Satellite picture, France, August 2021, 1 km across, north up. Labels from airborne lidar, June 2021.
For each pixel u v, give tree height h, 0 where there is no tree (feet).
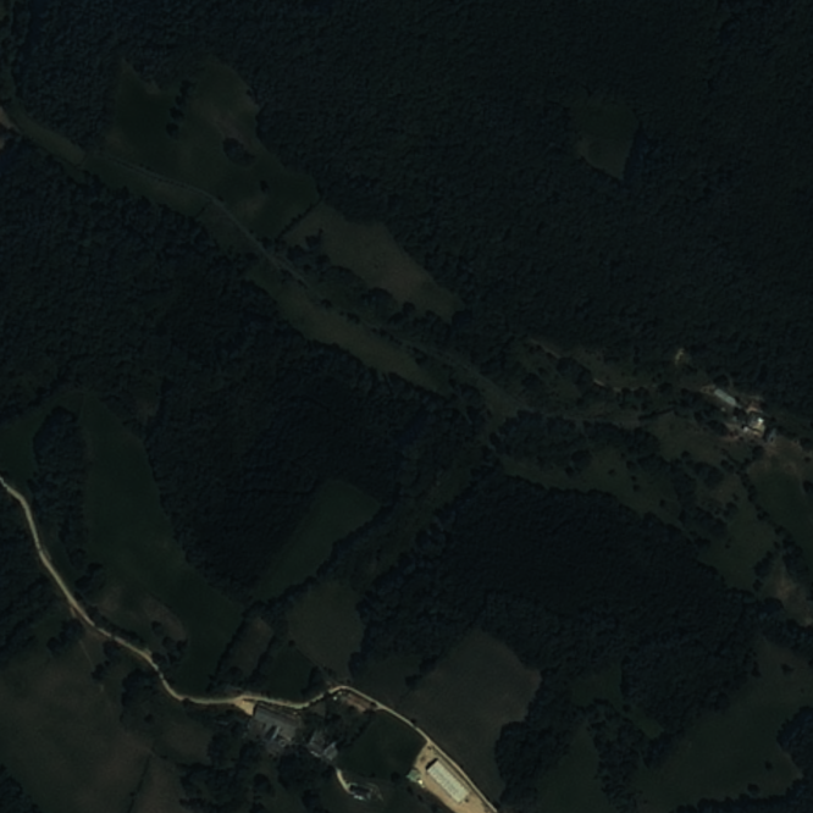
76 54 69
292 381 31
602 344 91
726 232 69
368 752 0
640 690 88
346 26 74
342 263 0
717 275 80
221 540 34
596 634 69
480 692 0
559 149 52
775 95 87
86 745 0
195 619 0
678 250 79
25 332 71
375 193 85
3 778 86
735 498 31
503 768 48
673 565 48
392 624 102
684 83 83
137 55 51
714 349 73
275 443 37
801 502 0
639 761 47
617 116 0
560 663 68
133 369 60
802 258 72
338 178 89
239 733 52
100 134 81
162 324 30
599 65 74
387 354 0
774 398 80
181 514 61
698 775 0
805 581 66
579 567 54
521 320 80
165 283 85
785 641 77
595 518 47
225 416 19
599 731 40
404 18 83
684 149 86
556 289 87
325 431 37
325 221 0
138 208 67
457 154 75
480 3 82
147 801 0
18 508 63
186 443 82
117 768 0
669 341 63
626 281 87
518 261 96
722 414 33
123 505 0
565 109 53
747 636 77
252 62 82
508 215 93
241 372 84
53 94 45
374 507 0
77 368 59
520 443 73
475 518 55
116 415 42
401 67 67
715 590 56
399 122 104
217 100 0
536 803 69
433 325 59
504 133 79
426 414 59
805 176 78
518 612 87
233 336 21
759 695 0
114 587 0
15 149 59
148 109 0
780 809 63
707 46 84
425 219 95
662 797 0
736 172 74
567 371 78
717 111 82
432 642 64
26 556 90
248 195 0
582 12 68
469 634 55
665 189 79
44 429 0
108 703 0
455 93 60
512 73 82
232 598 45
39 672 0
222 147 0
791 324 64
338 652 0
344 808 0
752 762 0
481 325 84
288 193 0
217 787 81
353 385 84
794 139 84
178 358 95
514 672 0
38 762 0
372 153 76
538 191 90
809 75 89
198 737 0
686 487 69
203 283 30
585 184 74
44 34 83
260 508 34
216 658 0
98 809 0
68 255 87
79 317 67
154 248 62
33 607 76
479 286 94
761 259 71
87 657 0
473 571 60
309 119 78
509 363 74
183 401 78
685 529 60
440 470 94
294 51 88
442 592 74
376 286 0
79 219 73
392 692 0
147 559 0
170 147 0
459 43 76
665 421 0
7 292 82
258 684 49
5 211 60
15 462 0
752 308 80
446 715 0
